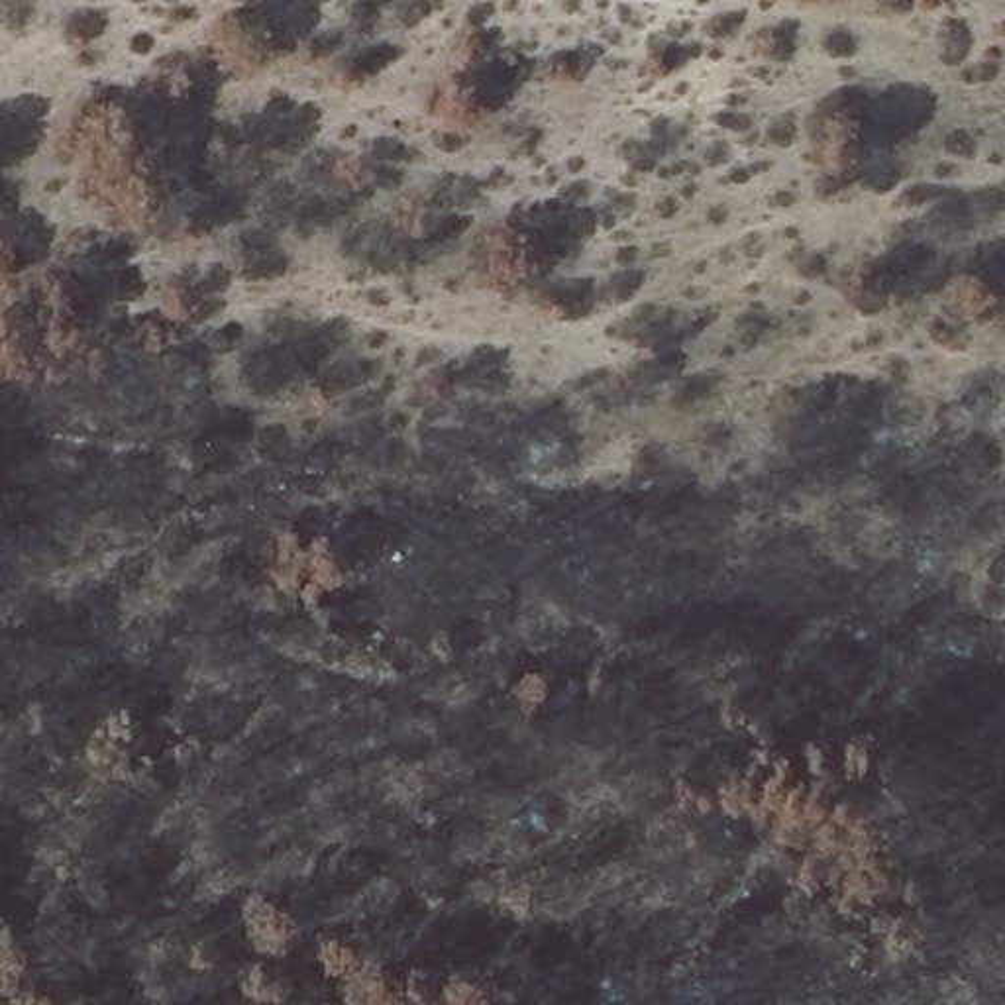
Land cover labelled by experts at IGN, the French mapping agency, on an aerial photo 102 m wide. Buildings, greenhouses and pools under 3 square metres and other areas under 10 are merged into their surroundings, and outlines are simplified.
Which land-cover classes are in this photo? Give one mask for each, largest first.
<instances>
[{"label":"bare soil","instance_id":"1","mask_svg":"<svg viewBox=\"0 0 1005 1005\"><path fill-rule=\"evenodd\" d=\"M86 8L106 12V31L98 39H67V20ZM232 8L239 20V35L255 51H267L275 63H267L255 79L220 82L216 59L200 47L216 20ZM86 94H94L102 106H122L130 130L126 165L133 177L149 185L153 224L130 228L118 212L86 204L79 196L86 169L55 161L59 133H67L71 114ZM503 216L510 263L557 267L561 259L577 255L581 279H612L616 251L636 247L644 271L640 291H632L620 302H605L585 318H565L557 306L534 302L530 294L503 298L499 291H444L424 263L448 251L451 239L467 228V220L499 224ZM0 243L12 251L4 275L12 298L24 302L31 291H39V283L59 279L63 330H75L102 353L94 381H0V907H8L20 923V930H12V950L20 958V989L27 997H43L47 1005H345L342 981L330 978L318 958L326 942L373 958L381 966V981L389 993L420 989L436 1005H1005V0H0ZM287 530L298 538V546L326 542L330 561L338 569V589H326L318 597L330 612V628L338 636H353L357 644H365L369 636L381 640V660L397 667L393 683L334 675L259 644L255 632H279L291 640L298 628L310 624L302 601H291L279 612H259L236 601V589L243 581L263 585L275 573L279 534ZM793 663L844 695L848 722L883 726L887 738L899 746V762L883 777V801L903 820L919 824L923 864L930 875L946 879V891L934 899L938 911L926 942L899 938V919H875L872 930H856L852 919L836 911L832 887H813V895H805L789 887L777 872L750 868L746 856L758 848V828L750 817H722L718 852L699 868L663 852L652 836L648 817L660 805L667 762L703 750L711 718L730 695L754 691L785 675ZM251 887L267 907H275V926L287 934L283 954L255 950L247 934L243 903Z\"/></svg>","mask_w":1005,"mask_h":1005},{"label":"coniferous trees","instance_id":"2","mask_svg":"<svg viewBox=\"0 0 1005 1005\"><path fill-rule=\"evenodd\" d=\"M216 59L220 82L255 79L267 63H275L267 51H255L239 35V20L232 8L216 20L200 47ZM130 130L122 106H102L94 94H86L71 114L67 133H59L55 161L86 169L79 196L86 204L118 212L130 228L153 224L149 185L133 177L126 165ZM444 291H499L503 298L530 294L534 302L557 306L565 318H585L605 302H620L632 291H640L644 271L636 247L616 251L612 279H581L577 255L561 259L557 267L510 263L503 216L499 224L467 220V228L451 239L448 251L424 263ZM12 251L0 243V381H94L102 353L75 330H63L59 279L39 283V291H31L24 302L12 298L4 275ZM326 589H338V569L330 561L326 542L298 546V538L287 530L279 534L275 573L263 585L243 581L236 589V601L259 612H279L291 601H302L310 624L298 628L291 640L279 632H255L259 644L334 675L393 683L397 667L381 660V640L369 636L365 644H357L353 636H338L330 628V612L318 597ZM899 762V746L887 738L883 726L848 722L844 695L793 663L785 675L754 691L730 695L711 718L703 750L667 762L660 805L648 817L652 836L663 852L699 868L718 852L722 817H750L758 828V848L746 856L750 868L777 872L789 887L805 895H813V887H832L836 911L852 919L856 930H872L875 919H899V938L926 942L938 911L934 899L946 891V879L930 875L923 864L919 824L903 820L883 801V777ZM247 934L255 950L283 954L287 934L275 926V907H267L251 887L243 903ZM12 930H20V923L8 907H0V1005H47L43 997H27L20 989V958L12 950ZM318 958L330 978L342 981L345 1005H436L420 989L389 993L381 981V966L373 958L326 942Z\"/></svg>","mask_w":1005,"mask_h":1005},{"label":"brushwood","instance_id":"3","mask_svg":"<svg viewBox=\"0 0 1005 1005\"><path fill-rule=\"evenodd\" d=\"M106 31V12L86 8L67 20V39H98Z\"/></svg>","mask_w":1005,"mask_h":1005}]
</instances>
